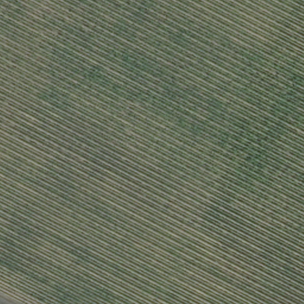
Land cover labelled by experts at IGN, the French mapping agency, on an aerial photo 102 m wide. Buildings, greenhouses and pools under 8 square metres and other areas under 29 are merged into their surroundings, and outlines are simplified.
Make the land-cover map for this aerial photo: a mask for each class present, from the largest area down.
<instances>
[{"label":"vineyard","instance_id":"1","mask_svg":"<svg viewBox=\"0 0 304 304\"><path fill-rule=\"evenodd\" d=\"M0 304H304V0H0Z\"/></svg>","mask_w":304,"mask_h":304}]
</instances>
